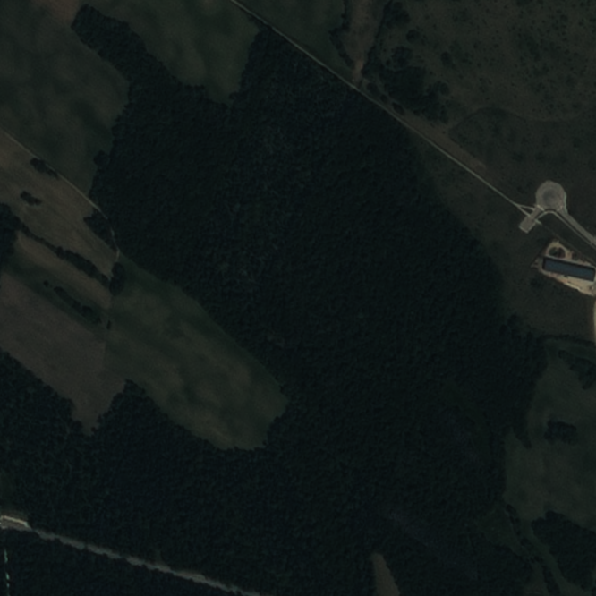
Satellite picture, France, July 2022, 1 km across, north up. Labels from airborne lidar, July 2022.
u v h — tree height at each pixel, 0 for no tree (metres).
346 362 15
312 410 18
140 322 0
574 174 0
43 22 0
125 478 14
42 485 19
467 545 12
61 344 0
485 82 0
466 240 12
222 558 16
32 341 0
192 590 20
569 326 0
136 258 14
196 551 19
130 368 0
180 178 13
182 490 16
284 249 17
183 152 14
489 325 19
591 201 0
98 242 0
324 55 0
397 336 18
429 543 16
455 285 17
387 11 13
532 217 0
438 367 16
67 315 0
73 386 0
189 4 0
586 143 0
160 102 14
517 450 0
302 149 14
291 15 0
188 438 17
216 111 16
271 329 8
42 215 0
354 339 17
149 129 15
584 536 17
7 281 0
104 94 0
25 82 0
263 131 13
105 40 13
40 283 0
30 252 0
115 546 17
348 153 19
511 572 16
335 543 17
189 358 0
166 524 16
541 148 0
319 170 15
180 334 0
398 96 10
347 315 17
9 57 0
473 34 0
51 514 14
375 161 15
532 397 14
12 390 6
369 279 16
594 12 0
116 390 0
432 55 0
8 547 19
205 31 0
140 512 20
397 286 18
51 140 0
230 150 16
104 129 0
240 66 0
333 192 15
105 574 17
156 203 18
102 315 0
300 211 17
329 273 18
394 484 18
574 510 0
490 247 0
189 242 14
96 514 8
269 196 12
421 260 17
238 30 0
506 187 0
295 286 13
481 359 17
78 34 7
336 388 19
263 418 0
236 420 0
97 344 0
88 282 0
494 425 18
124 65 11
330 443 18
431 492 16
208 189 16
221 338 0
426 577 15
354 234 14
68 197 0
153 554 14
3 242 18
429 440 16
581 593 0
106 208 13
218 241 8
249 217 10
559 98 0
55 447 17
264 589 17
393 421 20
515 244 0
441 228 15
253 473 22
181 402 0
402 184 16
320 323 18
